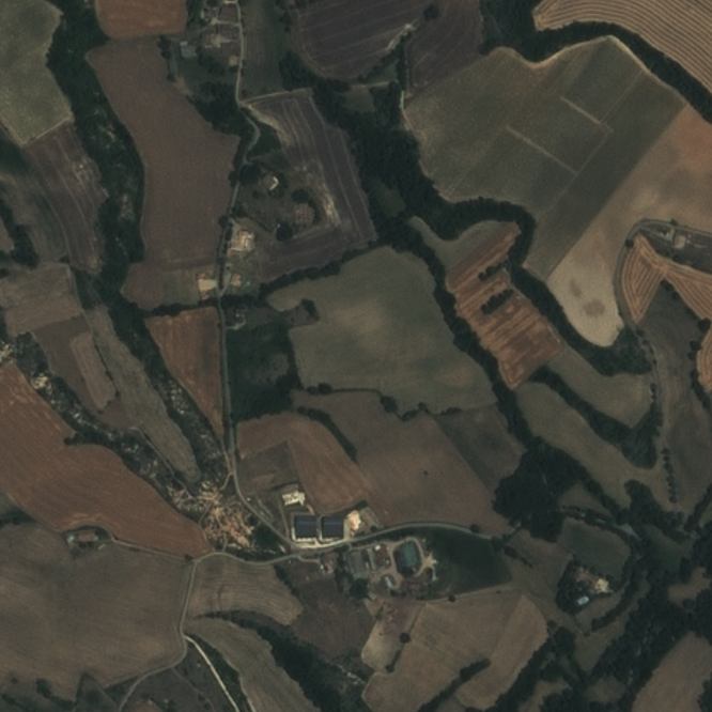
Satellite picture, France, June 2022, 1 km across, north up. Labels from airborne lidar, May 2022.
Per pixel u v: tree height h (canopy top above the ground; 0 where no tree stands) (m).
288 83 10
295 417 0
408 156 15
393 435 0
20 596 0
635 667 18
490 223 0
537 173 0
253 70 0
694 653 0
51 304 0
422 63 0
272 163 0
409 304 0
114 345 0
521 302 0
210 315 0
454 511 0
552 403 0
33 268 7
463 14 0
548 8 0
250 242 0
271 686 0
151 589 0
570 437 0
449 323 15
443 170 0
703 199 0
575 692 9
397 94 11
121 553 0
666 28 0
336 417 0
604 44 0
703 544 22
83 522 0
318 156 0
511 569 0
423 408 9
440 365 0
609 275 0
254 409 10
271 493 0
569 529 0
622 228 0
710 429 0
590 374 0
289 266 0
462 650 0
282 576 11
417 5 0
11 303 0
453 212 11
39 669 0
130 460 6
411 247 17
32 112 0
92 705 0
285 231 13
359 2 0
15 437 0
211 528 0
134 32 0
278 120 0
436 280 10
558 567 0
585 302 0
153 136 0
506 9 11
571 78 0
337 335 0
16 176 0
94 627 0
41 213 0
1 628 0
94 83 7
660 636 10
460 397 0
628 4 0
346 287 0
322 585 0
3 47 0
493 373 11
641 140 0
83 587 0
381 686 0
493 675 0
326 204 0
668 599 13
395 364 0
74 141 0
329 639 0
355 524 0
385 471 0
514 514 16
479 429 0
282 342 6
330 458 0
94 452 0
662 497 0
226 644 0
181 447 0
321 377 0
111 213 10
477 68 0
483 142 0
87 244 0
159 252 0
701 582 0
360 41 0
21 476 0
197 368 0
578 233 0
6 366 0
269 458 0
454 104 0
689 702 0
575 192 0
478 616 0
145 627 0
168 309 14
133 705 0
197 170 0
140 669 0
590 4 0
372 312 0
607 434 17
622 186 0
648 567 11
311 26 0
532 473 12
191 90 0
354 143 18
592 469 0
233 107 13
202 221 0
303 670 12
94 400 0
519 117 0
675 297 11
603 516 14
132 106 0
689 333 0
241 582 0
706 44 0
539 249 0
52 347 0
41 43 0
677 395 0
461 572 0
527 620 0
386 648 0
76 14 14
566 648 13
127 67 0
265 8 0
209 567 0
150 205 0
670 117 0
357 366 0
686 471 0
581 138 0
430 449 0
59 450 0
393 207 0
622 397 0
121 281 7
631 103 0
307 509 0
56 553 0
